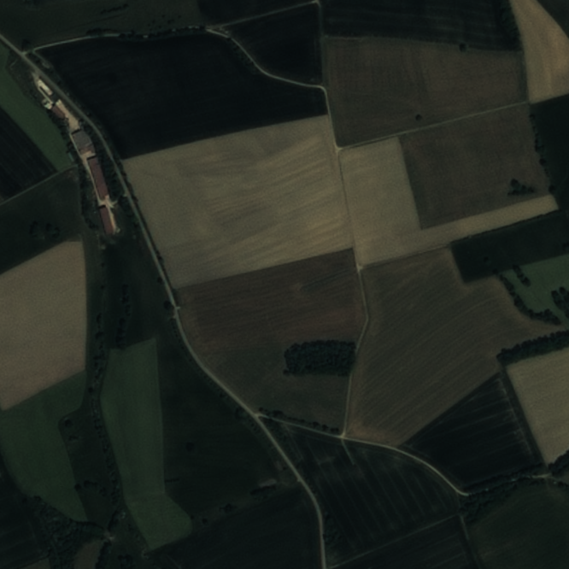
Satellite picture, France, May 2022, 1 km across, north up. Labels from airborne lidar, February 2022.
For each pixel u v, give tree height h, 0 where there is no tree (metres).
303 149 0
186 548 0
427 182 0
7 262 0
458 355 0
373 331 0
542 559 0
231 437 0
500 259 0
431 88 0
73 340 0
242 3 0
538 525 0
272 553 0
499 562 0
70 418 0
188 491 0
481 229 0
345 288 0
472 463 0
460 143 0
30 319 0
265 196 0
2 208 0
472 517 13
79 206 0
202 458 0
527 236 0
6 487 0
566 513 0
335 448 0
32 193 0
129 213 14
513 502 0
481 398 0
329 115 0
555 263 0
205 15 0
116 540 0
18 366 0
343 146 0
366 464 0
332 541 9
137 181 0
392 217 0
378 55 0
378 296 0
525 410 0
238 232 0
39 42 0
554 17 0
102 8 0
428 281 0
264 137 0
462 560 0
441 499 0
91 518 0
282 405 0
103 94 0
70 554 11
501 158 0
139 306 0
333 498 0
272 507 0
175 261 0
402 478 0
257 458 0
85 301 0
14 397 0
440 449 0
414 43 0
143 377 0
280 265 0
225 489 0
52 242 0
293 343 0
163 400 0
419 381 0
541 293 0
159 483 0
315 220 0
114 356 0
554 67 0
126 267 0
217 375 0
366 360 0
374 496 0
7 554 0
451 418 0
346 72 0
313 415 0
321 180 0
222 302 0
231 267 0
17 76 0
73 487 0
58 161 0
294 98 0
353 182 0
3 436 0
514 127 0
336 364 21
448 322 0
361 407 0
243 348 0
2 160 0
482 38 0
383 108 0
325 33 0
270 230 0
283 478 0
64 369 0
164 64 0
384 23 0
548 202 0
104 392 0
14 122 0
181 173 0
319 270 0
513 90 0
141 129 0
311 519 0
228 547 0
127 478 0
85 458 0
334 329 0
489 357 0
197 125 0
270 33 0
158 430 0
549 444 0
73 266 0
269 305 0
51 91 0
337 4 0
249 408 0
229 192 0
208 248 0
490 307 0
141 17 0
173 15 0
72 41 0
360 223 0
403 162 0
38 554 0
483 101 0
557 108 0
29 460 0
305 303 0
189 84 0
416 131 0
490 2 0
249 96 0
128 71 0
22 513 0
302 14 0
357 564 0
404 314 0
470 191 0
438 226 0
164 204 0
